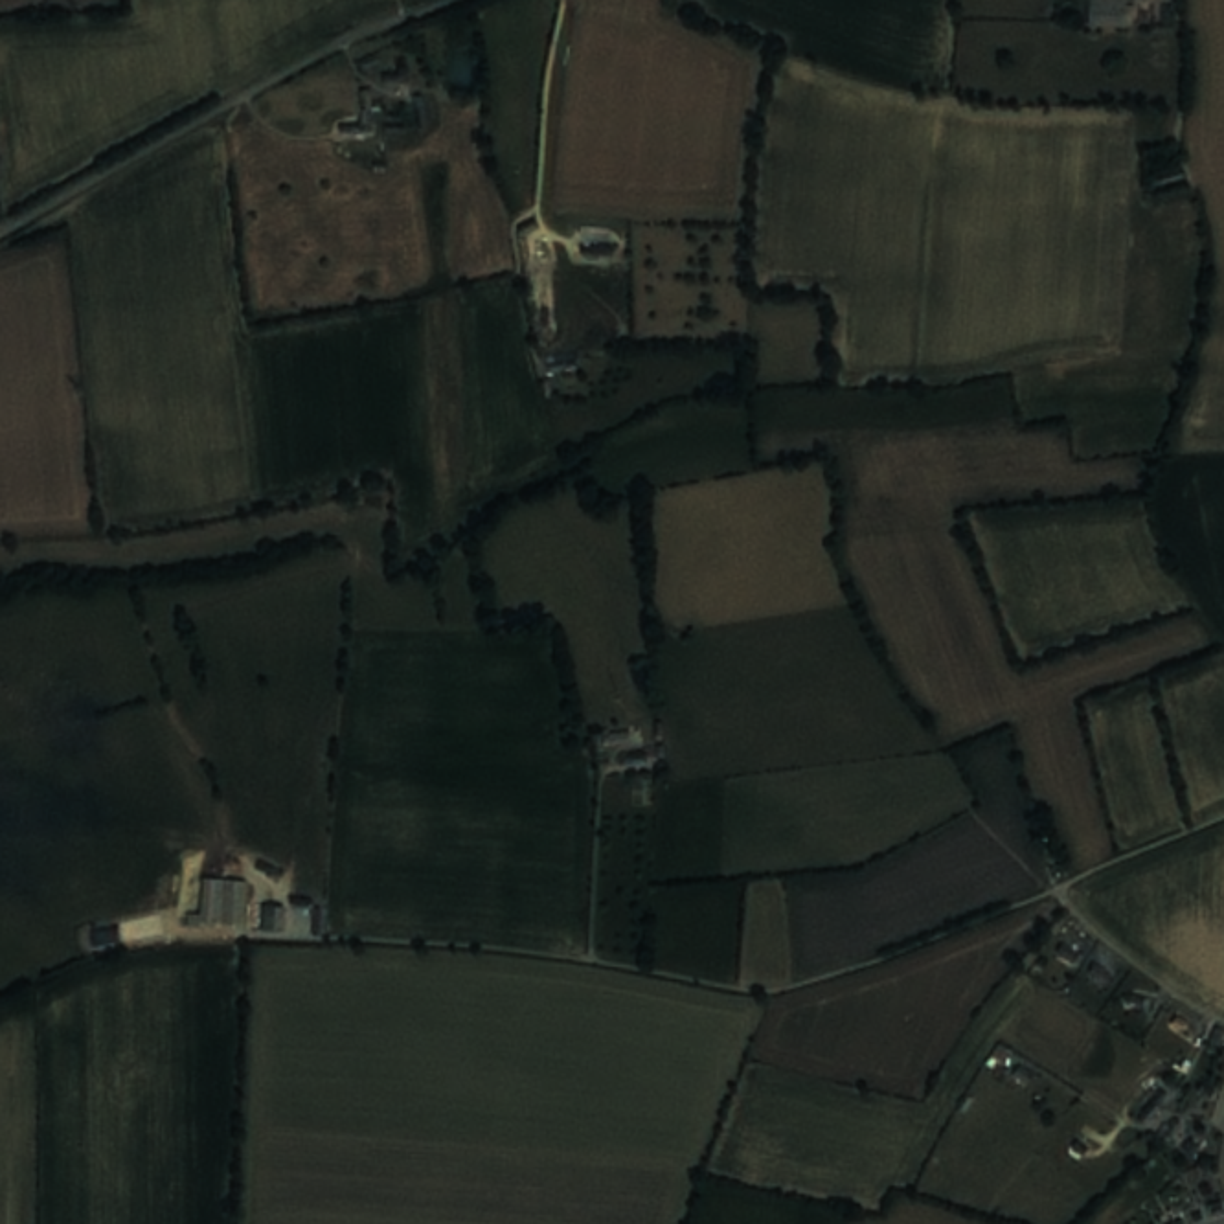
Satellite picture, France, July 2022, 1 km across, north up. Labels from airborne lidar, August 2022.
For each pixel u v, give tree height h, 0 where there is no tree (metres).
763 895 0
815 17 0
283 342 0
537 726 0
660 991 0
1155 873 0
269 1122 0
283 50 0
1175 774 11
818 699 0
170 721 0
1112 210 0
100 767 0
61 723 0
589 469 19
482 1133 0
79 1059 0
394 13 0
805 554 0
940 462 0
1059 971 0
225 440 0
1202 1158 9
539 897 0
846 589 12
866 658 0
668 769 14
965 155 0
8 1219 0
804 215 0
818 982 0
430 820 0
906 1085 0
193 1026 0
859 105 0
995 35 0
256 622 0
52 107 0
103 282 0
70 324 0
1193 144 0
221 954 0
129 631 0
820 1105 0
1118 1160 0
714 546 0
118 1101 0
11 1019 0
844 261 0
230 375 0
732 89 0
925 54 0
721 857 0
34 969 0
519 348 0
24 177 0
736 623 0
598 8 0
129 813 0
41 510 0
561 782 0
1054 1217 0
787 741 0
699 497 0
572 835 0
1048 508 15
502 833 0
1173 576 13
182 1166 0
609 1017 0
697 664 0
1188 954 0
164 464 0
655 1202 0
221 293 0
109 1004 0
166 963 0
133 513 0
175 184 0
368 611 0
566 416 0
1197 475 0
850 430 0
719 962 0
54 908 0
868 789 0
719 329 0
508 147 0
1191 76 12
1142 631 10
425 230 0
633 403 0
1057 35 0
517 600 0
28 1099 0
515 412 0
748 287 19
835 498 7
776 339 0
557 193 0
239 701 0
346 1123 0
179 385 0
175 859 0
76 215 0
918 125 0
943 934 7
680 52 0
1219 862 0
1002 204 0
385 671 0
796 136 0
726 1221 0
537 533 0
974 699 0
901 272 0
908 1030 0
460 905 0
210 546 0
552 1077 0
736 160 0
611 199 0
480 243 0
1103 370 0
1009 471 0
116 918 0
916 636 0
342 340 0
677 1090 0
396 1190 0
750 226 13
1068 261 0
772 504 0
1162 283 0
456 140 0
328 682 0
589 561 0
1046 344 0
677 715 0
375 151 0
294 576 0
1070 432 7
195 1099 0
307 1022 0
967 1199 0
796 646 0
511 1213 0
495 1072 0
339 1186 0
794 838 0
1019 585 0
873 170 0
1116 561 0
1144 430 0
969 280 0
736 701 0
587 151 0
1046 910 0
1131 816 0
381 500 0
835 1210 12
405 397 0
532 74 0
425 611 0
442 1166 0
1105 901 0
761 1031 0
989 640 0
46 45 0
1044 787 0
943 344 0
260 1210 0
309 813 0
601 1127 0
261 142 0
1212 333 12
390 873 0
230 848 0
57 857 0
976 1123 0
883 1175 0
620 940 6
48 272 0
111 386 0
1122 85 0
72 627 0
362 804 0
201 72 0
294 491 0
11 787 0
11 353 0
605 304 0
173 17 0
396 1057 0
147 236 0
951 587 0
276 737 0
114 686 0
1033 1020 0
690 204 0
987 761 0
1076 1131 0
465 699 0
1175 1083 9
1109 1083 0
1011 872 0
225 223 0
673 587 0
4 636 0
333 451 0
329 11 0
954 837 0
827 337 9
